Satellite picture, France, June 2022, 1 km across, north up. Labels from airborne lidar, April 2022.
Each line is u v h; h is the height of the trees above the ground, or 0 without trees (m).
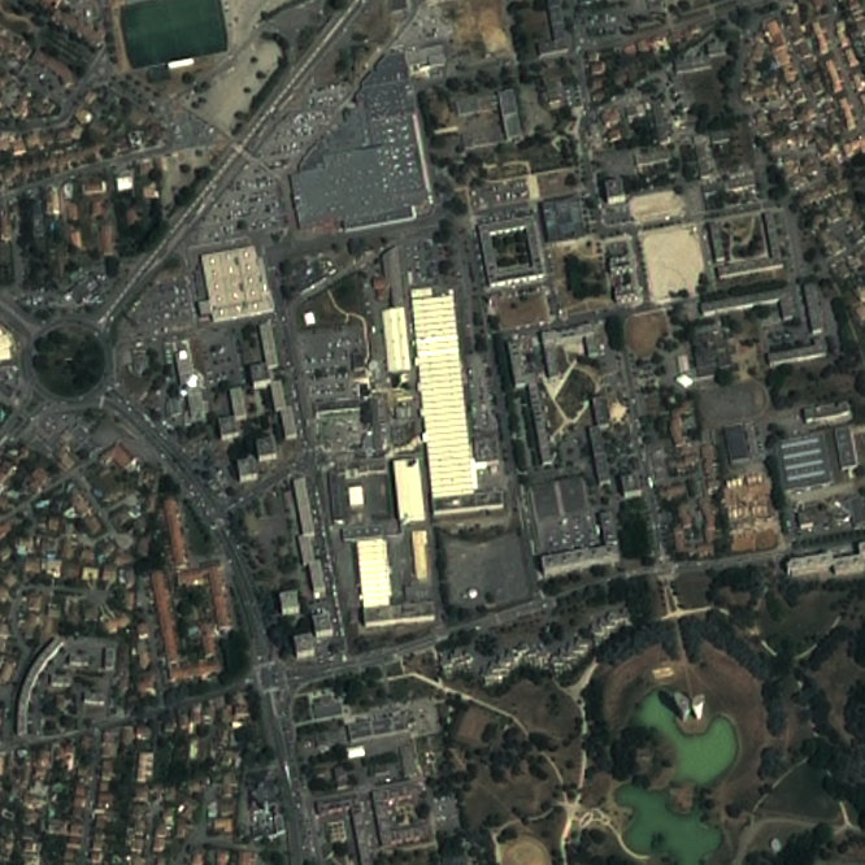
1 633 0
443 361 0
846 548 0
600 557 0
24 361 0
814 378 17
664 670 0
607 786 0
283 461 0
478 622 0
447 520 0
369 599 0
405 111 0
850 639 12
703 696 0
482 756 16
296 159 0
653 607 9
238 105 0
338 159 0
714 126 13
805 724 11
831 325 0
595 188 0
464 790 9
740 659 17
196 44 0
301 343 0
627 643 16
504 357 11
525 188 0
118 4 0
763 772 11
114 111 11
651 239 0
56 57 13
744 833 0
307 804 0
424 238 0
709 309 0
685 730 0
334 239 0
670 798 0
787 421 0
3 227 0
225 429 0
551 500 0
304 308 0
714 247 0
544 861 0
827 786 15
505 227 0
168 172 0
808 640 8
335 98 0
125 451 0
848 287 7
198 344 0
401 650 0
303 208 0
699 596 0
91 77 0
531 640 0
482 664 0
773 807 0
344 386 0
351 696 18
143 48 0
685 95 0
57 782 8
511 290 0
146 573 12
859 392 14
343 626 0
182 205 18
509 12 12
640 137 10
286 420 0
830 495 0
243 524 17
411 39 0
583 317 0
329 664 0
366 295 0
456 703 10
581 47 0
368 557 0
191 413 0
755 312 12
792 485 0
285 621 11
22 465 12
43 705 10
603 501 9
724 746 0
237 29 0
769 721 8
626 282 8
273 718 0
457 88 18
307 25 0
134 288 0
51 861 6
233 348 0
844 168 6
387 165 0
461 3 0
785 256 9
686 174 9
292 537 0
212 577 0
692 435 11
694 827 0
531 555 0
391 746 0
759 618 7
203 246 0
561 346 0
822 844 20
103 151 10
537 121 0
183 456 0
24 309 8
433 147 10
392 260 0
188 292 0
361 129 0
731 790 0
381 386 0
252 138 0
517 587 0
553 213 0
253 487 0
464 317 0
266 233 0
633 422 0
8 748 0
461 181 13
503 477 0
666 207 0
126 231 6
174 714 6
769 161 7
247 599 0
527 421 10
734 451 0
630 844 0
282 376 9
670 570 0
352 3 0
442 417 0
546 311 0
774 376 15
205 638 0
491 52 0
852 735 13
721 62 0
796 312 0
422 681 0
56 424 0
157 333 0
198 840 0
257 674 0
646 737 14
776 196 16
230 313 0
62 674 6
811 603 0
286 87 0
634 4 0
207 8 0
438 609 0
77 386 10
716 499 13
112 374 0
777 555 0
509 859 0
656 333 0
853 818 0
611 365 0
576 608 6
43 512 14
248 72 0
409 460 0
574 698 0
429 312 0
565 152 9
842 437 0
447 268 15
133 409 0
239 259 0
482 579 0
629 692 0
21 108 0
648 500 0
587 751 11
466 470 0
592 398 15
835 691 0
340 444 0
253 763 11
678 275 0
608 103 6
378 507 0
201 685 14
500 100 0
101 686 0
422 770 0
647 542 11
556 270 0
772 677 9
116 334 0
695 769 0
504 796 0
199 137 0
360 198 0
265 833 0
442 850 13
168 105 0
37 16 12
